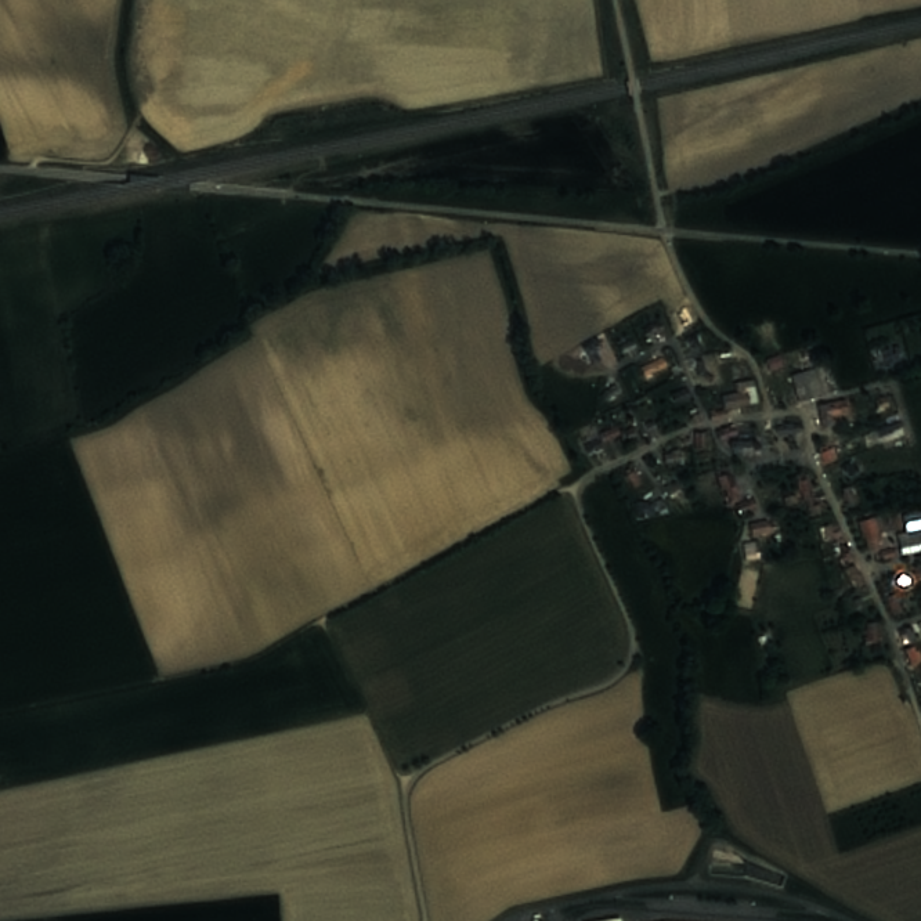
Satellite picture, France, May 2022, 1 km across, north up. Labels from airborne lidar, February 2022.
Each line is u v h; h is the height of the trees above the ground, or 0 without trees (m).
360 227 0
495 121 0
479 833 0
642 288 0
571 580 0
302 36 0
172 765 0
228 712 0
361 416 0
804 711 0
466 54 0
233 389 0
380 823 0
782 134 0
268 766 0
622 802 0
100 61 0
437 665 0
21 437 0
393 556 0
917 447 0
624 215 0
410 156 0
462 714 0
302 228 0
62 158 0
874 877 0
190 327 0
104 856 0
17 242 0
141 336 0
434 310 0
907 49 0
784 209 0
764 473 11
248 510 0
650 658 0
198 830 0
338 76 0
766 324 0
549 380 0
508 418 0
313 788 0
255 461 0
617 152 0
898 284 0
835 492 0
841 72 0
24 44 0
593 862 0
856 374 0
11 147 0
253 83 0
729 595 20
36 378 0
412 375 0
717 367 0
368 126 0
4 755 0
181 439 0
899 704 0
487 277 0
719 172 0
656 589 0
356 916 0
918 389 0
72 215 0
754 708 0
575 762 0
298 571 0
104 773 0
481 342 0
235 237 0
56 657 0
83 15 0
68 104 0
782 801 0
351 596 0
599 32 0
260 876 0
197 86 0
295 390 0
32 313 0
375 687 0
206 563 0
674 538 0
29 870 0
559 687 0
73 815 0
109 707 0
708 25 0
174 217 0
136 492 0
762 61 0
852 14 0
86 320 0
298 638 0
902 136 0
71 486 0
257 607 0
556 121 0
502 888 0
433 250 17
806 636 0
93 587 0
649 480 0
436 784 0
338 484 0
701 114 0
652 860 0
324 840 0
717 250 0
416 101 0
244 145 0
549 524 0
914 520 0
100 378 0
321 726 0
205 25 0
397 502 0
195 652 0
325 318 0
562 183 0
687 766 14
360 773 0
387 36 0
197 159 0
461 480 0
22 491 0
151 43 0
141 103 0
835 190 0
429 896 0
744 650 0
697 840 0
